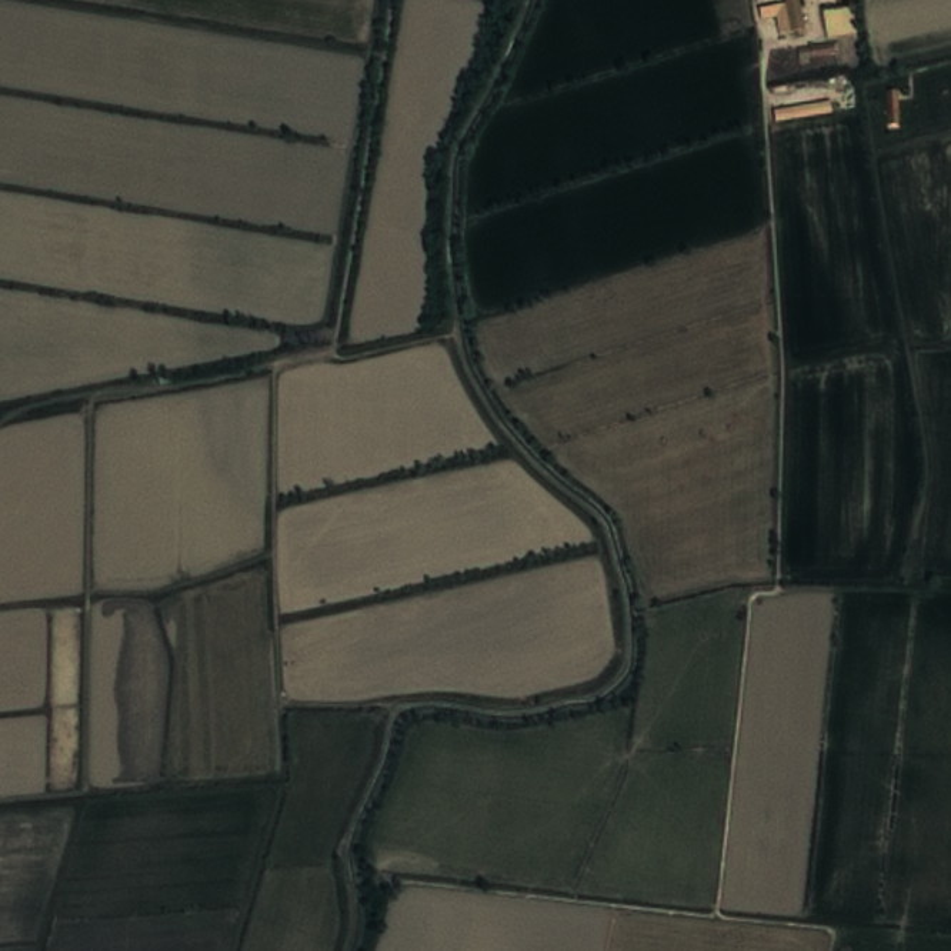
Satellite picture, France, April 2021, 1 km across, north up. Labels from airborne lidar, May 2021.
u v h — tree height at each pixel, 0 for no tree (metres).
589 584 0
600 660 0
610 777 0
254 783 0
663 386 0
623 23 0
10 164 0
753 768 0
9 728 0
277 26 0
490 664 0
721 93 0
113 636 0
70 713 0
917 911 0
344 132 0
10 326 0
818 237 0
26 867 0
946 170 0
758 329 0
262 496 0
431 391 0
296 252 0
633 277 0
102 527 0
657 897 0
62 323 0
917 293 0
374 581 0
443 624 0
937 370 0
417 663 0
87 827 0
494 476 0
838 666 0
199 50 0
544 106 0
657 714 0
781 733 0
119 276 0
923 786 0
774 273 0
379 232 0
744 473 0
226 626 0
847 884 0
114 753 0
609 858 0
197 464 0
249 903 0
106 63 0
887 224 0
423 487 0
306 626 0
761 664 0
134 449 0
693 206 0
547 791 0
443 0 0
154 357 0
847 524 0
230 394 0
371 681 0
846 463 0
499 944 0
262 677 0
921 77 0
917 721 0
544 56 0
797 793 0
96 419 0
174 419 0
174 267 0
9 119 0
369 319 0
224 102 0
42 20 0
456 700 0
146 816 0
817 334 0
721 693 0
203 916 0
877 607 0
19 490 0
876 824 0
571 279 0
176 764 0
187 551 0
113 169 0
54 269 0
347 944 0
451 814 0
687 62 0
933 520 0
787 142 0
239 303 0
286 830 0
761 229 0
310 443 0
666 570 0
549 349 0
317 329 0
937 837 0
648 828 0
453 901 0
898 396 0
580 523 0
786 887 0
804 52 0
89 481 0
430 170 10
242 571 0
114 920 0
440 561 0
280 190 0
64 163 0
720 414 0
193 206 0
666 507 0
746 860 0
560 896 0
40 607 0
